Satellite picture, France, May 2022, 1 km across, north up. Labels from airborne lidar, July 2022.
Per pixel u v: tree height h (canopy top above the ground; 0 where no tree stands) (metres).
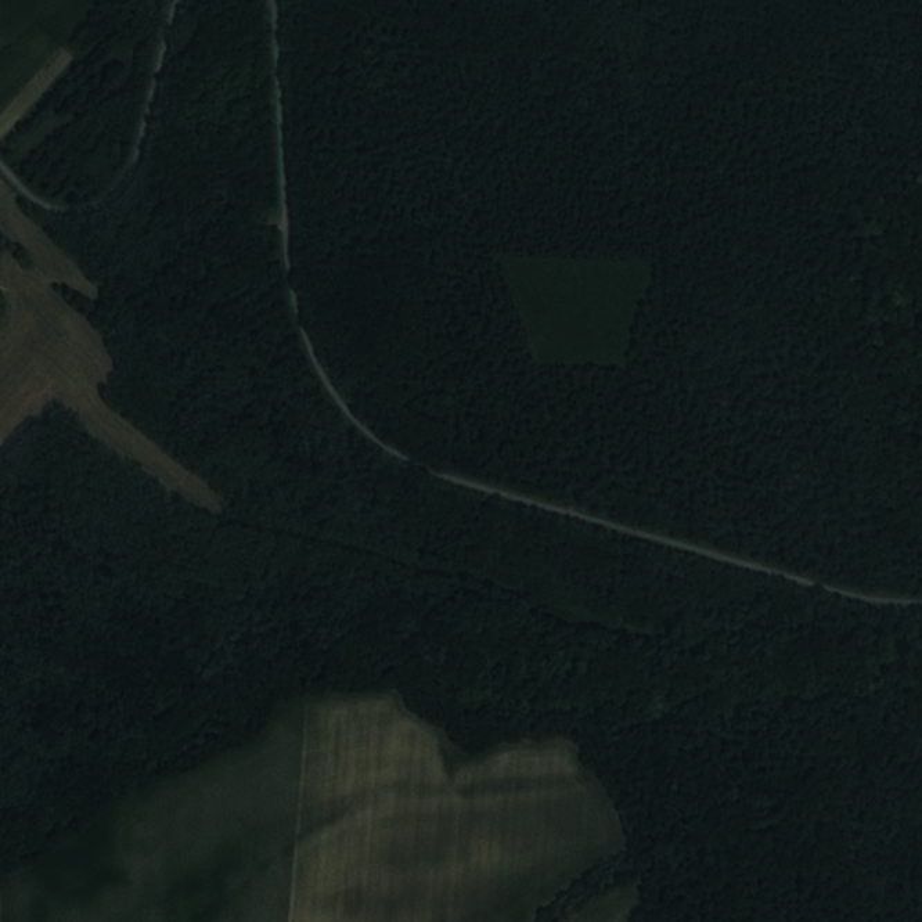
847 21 15
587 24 19
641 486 18
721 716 12
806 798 17
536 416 15
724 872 18
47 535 24
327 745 0
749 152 7
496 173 11
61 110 14
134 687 22
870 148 16
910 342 27
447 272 14
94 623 21
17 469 26
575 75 15
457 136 13
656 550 15
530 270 0
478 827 0
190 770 13
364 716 0
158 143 15
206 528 21
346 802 0
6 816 21
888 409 16
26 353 0
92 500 20
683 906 19
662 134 15
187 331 17
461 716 20
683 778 18
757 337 10
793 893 14
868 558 15
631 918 9
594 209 12
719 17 20
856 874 18
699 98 14
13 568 15
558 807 0
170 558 18
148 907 0
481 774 0
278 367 20
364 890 0
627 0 22
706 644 23
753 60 14
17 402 0
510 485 14
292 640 8
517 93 12
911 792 16
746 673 14
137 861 0
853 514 14
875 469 15
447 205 13
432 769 0
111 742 23
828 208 18
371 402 19
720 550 14
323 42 19
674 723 19
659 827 13
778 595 18
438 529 10
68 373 0
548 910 9
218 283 19
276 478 20
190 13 16
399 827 0
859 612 21
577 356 0
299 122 18
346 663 25
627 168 14
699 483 6
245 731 15
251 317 20
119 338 18
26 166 13
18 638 6
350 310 21
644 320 13
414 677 19
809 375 14
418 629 20
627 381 9
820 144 15
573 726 13
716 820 20
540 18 19
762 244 12
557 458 19
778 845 18
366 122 14
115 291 18
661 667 18
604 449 12
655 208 12
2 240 13
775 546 11
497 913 0
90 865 0
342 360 16
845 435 14
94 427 0
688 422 9
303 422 14
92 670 18
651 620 7
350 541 20
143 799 0
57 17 0
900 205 21
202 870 0
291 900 0
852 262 16
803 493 15
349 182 13
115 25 11
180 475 0
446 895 0
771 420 12
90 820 12
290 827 0
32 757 14
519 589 9
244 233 13
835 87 13
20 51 0
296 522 23
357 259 21
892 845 17
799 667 18
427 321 16
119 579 22
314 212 15
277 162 11
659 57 22
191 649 20
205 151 12
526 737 10
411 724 0
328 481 10
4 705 17
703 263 9
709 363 7
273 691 21
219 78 8
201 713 17
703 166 11
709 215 6
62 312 0
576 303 0
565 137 13
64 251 20
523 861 0
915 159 16
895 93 13
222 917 0
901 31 15
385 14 15
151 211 15
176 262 13
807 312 14
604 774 16
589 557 21
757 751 17
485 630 20
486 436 16
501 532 19
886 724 24
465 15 18
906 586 14
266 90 16
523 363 9
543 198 11
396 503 17
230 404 23
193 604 18
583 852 0
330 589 16
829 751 19
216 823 0
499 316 12
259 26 14
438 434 16
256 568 24
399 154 8
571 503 14
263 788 0
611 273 0
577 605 11
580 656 15
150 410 17
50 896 0
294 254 15
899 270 24
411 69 8
